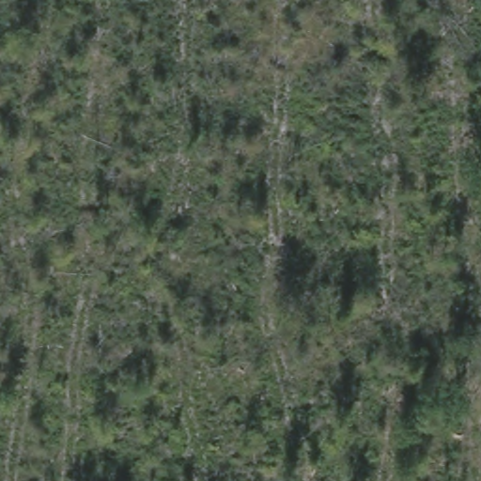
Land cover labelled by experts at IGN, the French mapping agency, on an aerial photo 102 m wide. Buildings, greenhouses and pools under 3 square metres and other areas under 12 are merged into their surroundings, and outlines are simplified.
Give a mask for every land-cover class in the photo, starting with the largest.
<instances>
[{"label":"deciduous trees","instance_id":"1","mask_svg":"<svg viewBox=\"0 0 481 481\"><path fill-rule=\"evenodd\" d=\"M0 481H481V0H0Z\"/></svg>","mask_w":481,"mask_h":481}]
</instances>
